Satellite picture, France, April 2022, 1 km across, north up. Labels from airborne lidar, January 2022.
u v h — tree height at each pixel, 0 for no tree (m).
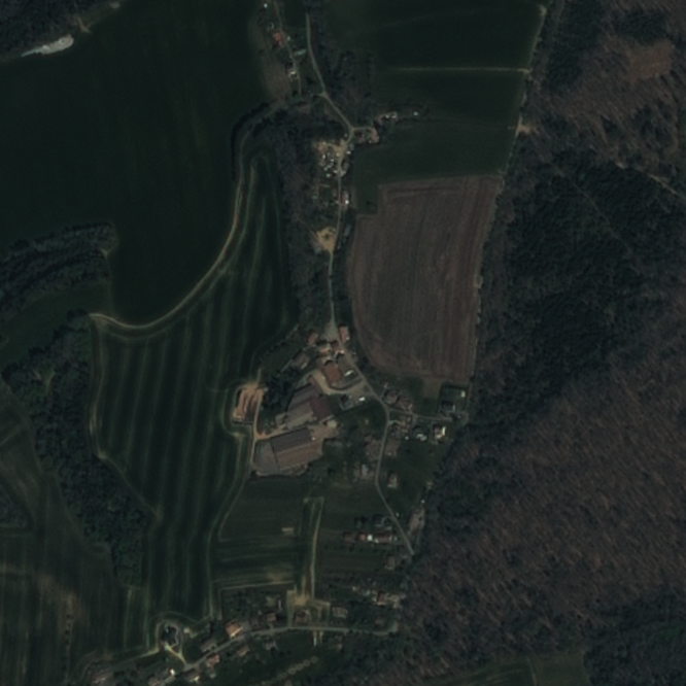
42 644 0
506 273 13
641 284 11
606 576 24
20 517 18
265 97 0
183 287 0
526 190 14
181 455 0
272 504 0
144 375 0
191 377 0
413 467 0
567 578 22
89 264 19
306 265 25
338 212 0
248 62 0
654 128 18
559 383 11
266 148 0
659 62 0
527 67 0
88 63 0
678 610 23
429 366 0
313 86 20
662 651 24
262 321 0
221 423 0
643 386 25
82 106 0
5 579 0
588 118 22
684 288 26
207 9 0
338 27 0
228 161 0
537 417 24
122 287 0
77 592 0
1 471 0
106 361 0
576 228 8
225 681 0
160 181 0
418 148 0
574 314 7
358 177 0
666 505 24
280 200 0
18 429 0
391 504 11
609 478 24
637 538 23
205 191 0
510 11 0
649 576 22
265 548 0
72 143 0
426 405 8
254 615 12
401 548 6
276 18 0
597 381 24
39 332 0
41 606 0
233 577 0
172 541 0
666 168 9
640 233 6
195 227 0
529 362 9
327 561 0
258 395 0
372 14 0
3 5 16
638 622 15
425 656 26
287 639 0
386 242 0
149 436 0
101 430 0
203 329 0
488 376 9
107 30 0
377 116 17
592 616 19
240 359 0
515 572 26
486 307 14
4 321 12
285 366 0
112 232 13
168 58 0
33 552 0
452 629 23
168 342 0
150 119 0
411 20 0
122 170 0
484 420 11
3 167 0
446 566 20
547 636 27
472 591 27
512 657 23
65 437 21
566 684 0
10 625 0
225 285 0
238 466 0
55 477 0
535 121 19
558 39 7
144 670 7
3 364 0
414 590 22
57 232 0
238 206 0
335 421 0
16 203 0
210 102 0
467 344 0
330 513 0
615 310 23
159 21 0
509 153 0
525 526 27
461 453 16
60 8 18
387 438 0
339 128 11
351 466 0
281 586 0
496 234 12
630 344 27
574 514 27
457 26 0
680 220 11
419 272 0
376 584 9
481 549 28
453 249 0
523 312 8
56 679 0
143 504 0
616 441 27
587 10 8
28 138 0
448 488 15
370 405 0
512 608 31
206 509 0
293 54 0
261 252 0
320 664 0
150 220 0
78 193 0
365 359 0
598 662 25
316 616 0
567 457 27
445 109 0
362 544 12
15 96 0
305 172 26
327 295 15
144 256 0
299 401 0
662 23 24
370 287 0
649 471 27
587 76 20
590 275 10
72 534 0
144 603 0
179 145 0
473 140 0
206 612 0
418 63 0
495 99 0
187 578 0
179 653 0
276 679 0
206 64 0
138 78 0
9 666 0
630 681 29
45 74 0
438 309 0
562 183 10
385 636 0
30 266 19
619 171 13
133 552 12
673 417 25
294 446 0
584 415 27
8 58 20
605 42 23
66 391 23
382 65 0
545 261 9
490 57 0
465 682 0
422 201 0
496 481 25
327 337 0
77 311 0
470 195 0
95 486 16
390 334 0
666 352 27
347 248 7
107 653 0
